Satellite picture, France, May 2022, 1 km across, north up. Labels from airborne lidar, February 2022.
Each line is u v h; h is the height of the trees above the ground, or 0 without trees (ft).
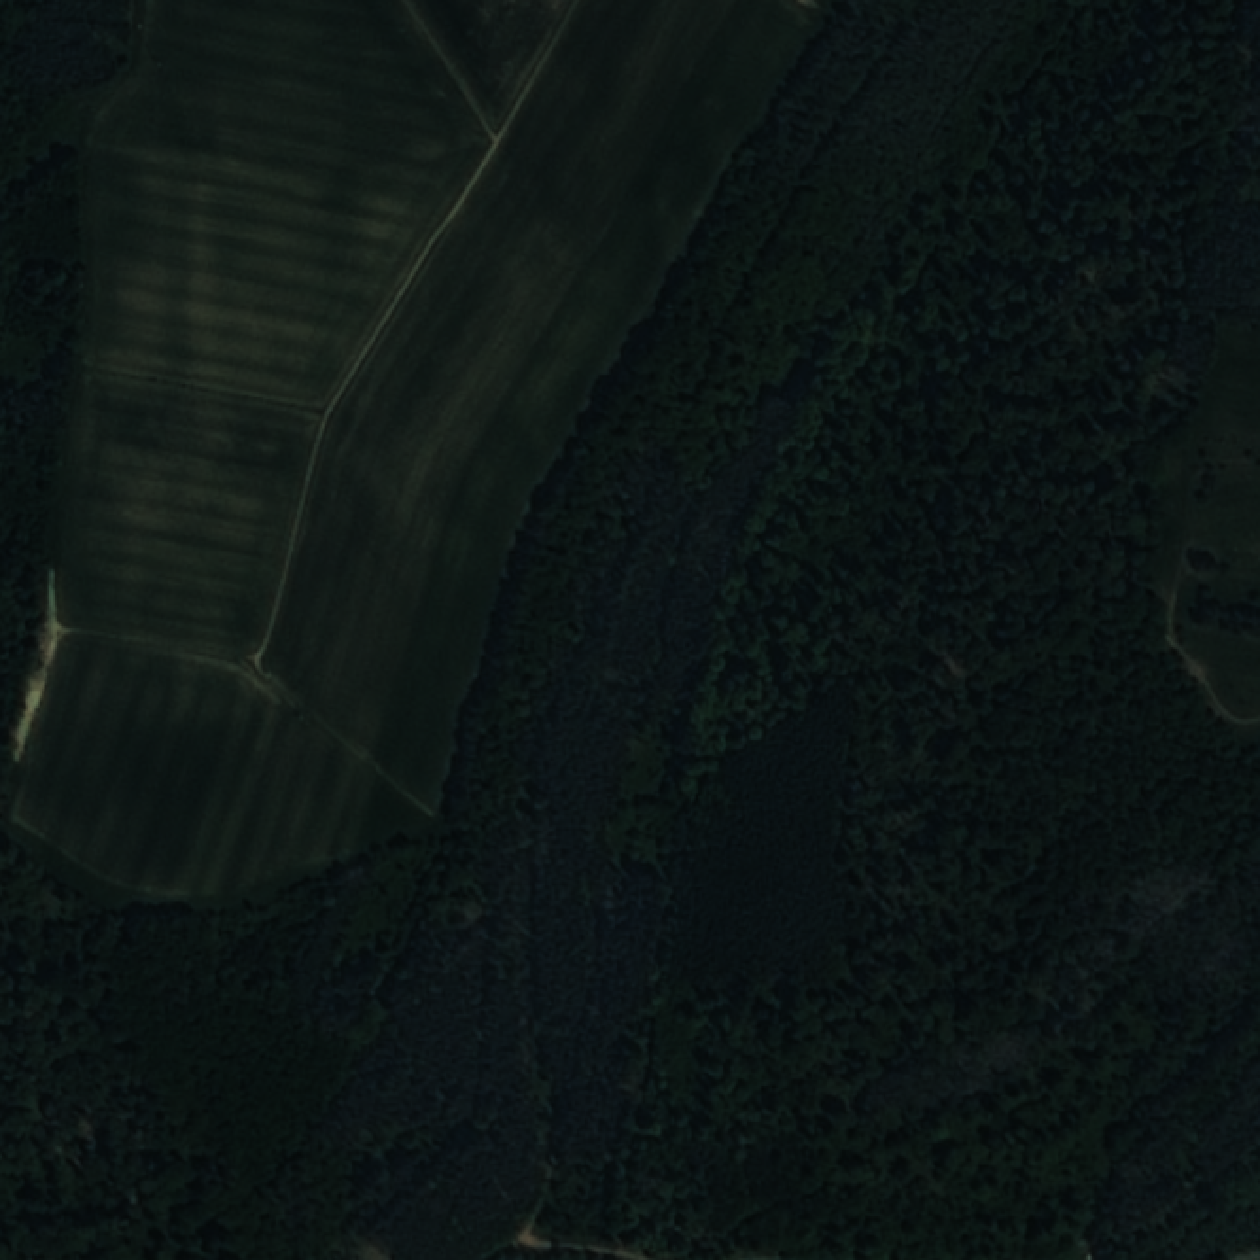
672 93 0
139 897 0
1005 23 69
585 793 110
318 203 0
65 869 0
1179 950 95
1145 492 73
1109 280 110
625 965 107
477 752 76
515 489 0
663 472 98
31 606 67
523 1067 105
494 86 0
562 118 0
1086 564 101
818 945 71
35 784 0
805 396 115
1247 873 86
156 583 0
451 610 0
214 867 0
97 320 0
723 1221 46
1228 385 0
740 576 94
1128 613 71
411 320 0
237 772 0
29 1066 98
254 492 0
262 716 0
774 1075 44
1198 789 39
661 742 23
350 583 0
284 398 0
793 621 122
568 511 89
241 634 0
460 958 97
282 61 0
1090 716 43
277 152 0
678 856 52
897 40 80
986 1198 35
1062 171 126
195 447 0
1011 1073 64
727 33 0
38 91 51
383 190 0
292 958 42
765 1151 25
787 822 69
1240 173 90
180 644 0
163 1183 100
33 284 96
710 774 50
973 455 39
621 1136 87
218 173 0
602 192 0
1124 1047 41
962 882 94
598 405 71
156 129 0
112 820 0
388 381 0
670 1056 39
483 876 100
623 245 0
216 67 0
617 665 120
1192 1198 33
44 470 73
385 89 0
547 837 95
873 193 82
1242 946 114
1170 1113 83
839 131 75
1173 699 37
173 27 0
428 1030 96
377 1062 76
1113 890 60
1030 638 80
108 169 0
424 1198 80
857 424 125
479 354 0
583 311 0
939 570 34
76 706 0
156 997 78
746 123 0
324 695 0
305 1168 83
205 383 0
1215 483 37
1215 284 92
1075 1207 113
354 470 0
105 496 0
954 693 91
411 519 0
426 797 0
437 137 0
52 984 97
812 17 0
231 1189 71
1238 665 0
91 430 0
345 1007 91
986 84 59
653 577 103
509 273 0
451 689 0
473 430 0
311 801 0
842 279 68
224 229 0
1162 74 113
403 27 0
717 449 87
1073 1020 59
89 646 0
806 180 81
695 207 0
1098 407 106
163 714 0
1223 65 77
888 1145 45
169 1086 68
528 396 0
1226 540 0
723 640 112
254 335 0
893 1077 84
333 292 0
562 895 102
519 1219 60
